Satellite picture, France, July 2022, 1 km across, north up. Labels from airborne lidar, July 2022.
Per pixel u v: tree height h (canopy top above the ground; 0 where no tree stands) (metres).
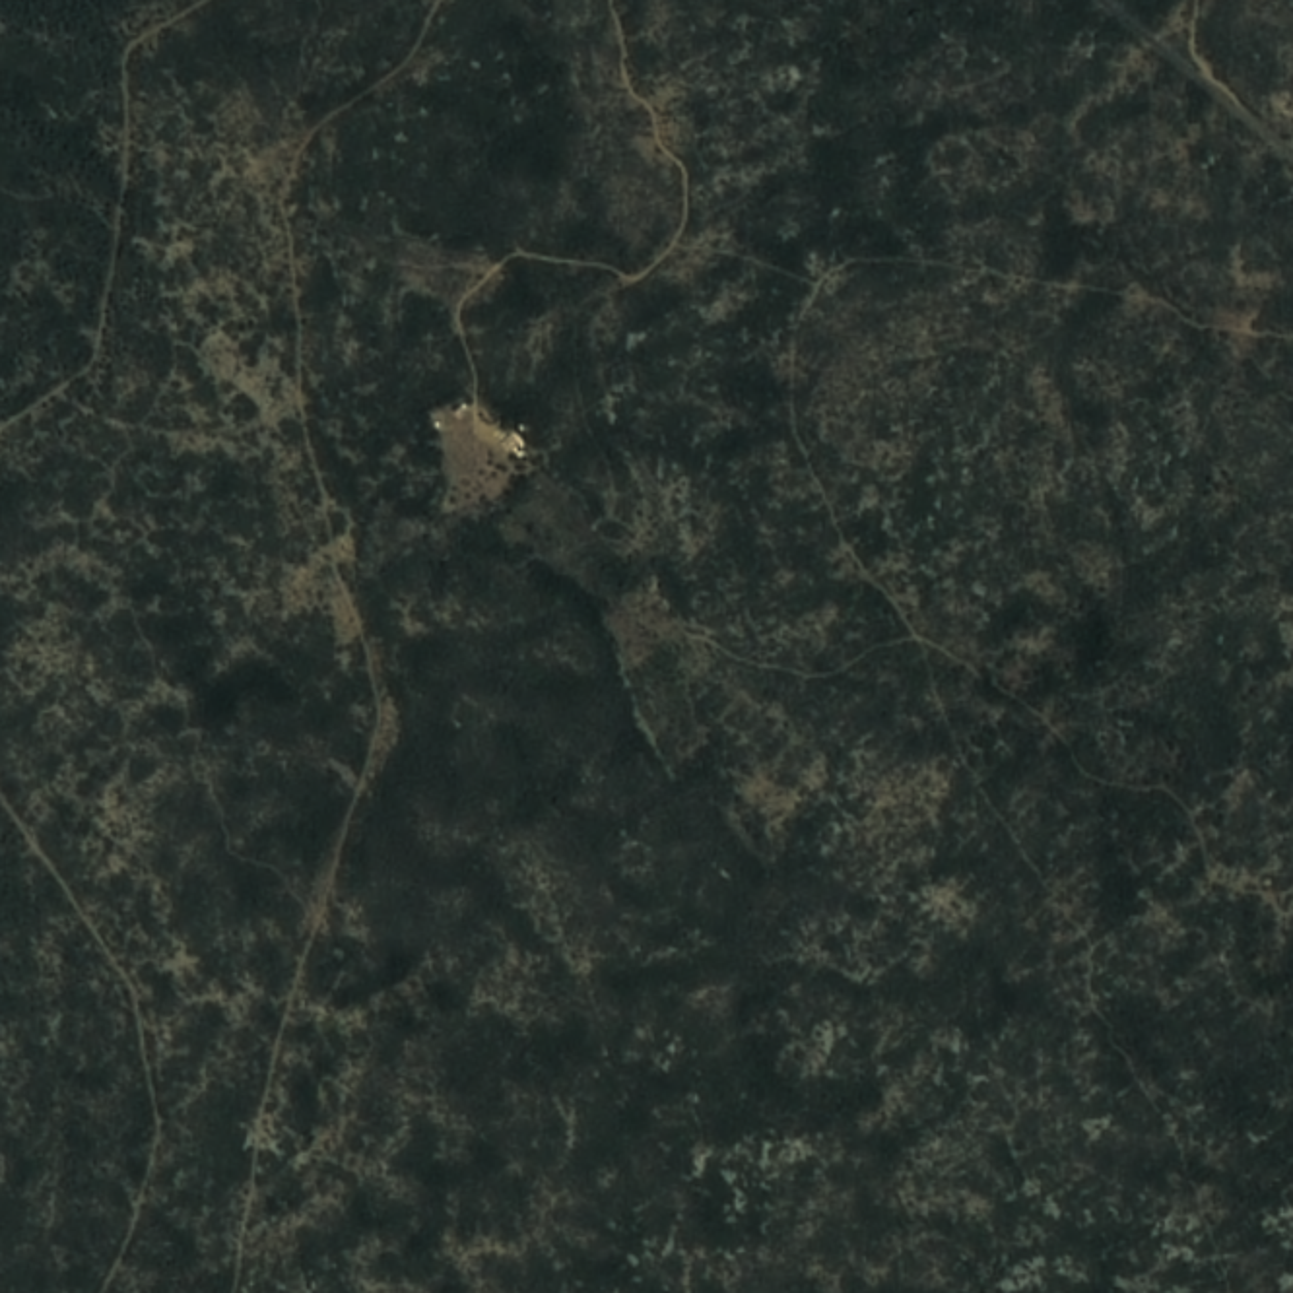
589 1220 0
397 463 0
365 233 0
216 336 0
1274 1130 0
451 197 0
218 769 0
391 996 0
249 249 0
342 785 0
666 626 0
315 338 0
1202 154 6
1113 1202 0
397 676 0
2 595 0
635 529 0
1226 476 8
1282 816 0
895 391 0
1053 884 0
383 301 0
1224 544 7
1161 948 0
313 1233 0
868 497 0
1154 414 0
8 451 0
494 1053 0
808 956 0
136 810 0
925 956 0
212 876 0
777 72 0
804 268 0
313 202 0
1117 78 0
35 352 0
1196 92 6
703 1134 0
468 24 0
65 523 0
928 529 0
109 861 0
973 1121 0
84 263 5
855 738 0
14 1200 0
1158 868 0
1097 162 0
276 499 0
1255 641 0
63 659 0
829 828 0
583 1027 0
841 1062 0
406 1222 0
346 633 0
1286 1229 0
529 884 0
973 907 0
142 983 0
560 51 0
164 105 0
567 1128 0
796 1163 0
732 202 0
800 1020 0
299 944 0
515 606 0
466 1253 0
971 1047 0
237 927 0
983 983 0
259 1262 0
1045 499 0
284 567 0
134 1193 0
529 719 0
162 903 0
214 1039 0
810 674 0
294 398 0
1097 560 0
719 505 0
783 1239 0
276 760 0
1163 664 0
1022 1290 0
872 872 0
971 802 0
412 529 0
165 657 0
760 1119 0
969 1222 0
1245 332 0
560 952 0
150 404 0
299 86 0
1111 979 0
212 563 0
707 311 0
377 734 0
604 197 0
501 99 5
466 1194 0
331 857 0
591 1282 0
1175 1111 0
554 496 0
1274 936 0
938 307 0
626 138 0
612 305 0
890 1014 0
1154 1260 0
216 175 0
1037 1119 0
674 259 0
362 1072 0
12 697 0
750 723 0
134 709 0
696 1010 0
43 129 8
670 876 0
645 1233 0
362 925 0
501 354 0
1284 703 0
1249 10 0
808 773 0
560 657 0
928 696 0
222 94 0
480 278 0
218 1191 0
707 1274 0
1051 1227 0
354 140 0
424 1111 0
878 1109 0
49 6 6
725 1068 0
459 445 0
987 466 0
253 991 0
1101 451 0
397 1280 0
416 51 0
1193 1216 0
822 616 0
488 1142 0
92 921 0
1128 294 0
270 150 0
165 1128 0
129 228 6
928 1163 0
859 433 0
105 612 0
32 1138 0
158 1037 0
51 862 0
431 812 0
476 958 0
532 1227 0
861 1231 0
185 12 0
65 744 0
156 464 0
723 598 0
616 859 0
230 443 0
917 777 0
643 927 0
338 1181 0
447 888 0
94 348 0
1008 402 0
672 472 0
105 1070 0
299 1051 0
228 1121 0
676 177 0
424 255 0
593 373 0
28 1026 0
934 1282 0
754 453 0
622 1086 0
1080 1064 0
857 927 0
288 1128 0
